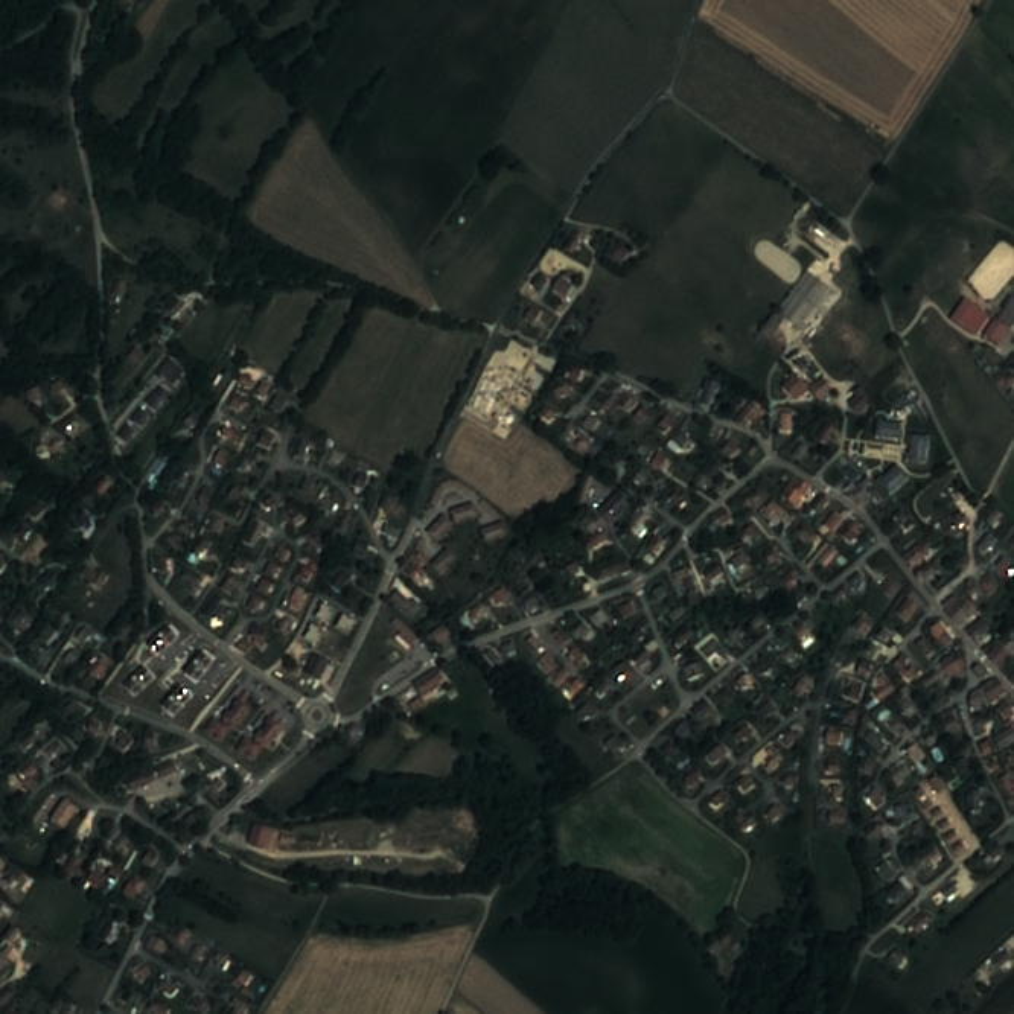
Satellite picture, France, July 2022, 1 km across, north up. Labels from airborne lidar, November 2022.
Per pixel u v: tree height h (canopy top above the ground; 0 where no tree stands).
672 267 0
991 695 0
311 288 11
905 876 0
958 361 0
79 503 10
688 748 9
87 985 0
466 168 0
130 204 7
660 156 0
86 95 15
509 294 0
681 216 0
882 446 0
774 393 0
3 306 6
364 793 14
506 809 13
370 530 0
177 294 7
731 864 0
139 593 11
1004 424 0
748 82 0
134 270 9
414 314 12
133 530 15
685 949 0
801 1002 24
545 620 0
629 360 0
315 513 10
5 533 12
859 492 0
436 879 20
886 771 6
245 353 13
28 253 11
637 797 0
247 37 15
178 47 11
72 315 8
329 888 20
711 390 0
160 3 0
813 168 0
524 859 17
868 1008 0
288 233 0
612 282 0
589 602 0
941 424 0
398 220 0
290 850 0
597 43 0
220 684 0
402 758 0
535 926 16
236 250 10
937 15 0
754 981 21
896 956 0
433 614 13
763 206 0
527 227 0
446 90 0
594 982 0
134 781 0
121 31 18
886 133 0
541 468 0
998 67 0
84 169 0
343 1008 0
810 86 0
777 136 0
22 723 11
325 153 0
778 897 0
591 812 0
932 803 6
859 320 0
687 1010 0
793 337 0
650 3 0
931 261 0
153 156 17
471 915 0
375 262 0
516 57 0
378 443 0
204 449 0
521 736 7
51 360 12
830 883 0
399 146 0
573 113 0
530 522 8
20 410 0
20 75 13
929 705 9
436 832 0
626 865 0
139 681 0
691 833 0
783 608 19
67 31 7
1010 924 0
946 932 10
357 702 0
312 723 0
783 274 0
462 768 18
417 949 0
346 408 0
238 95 0
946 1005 11
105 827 12
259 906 0
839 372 0
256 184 13
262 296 14
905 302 0
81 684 7
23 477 6
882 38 0
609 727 7
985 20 0
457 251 0
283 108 0
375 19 0
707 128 0
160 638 0
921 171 0
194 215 12
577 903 19
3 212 0
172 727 0
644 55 0
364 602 8
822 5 0
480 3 0
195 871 0
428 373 0
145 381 13
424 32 0
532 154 0
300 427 10
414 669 0
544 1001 0
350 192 0
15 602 6
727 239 0
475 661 33
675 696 0
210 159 0
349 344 11
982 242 0
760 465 0
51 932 0
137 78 0
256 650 0
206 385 18
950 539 6
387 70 8
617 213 0
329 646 0
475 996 0
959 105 0
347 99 0
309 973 0
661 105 0
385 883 8
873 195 0
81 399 12
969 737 12
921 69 0
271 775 0
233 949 0
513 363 0
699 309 0
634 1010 0
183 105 9
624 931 15
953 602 0
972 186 0
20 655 11
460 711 0
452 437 0
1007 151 0
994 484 0
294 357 9
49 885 0
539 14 0
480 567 0
